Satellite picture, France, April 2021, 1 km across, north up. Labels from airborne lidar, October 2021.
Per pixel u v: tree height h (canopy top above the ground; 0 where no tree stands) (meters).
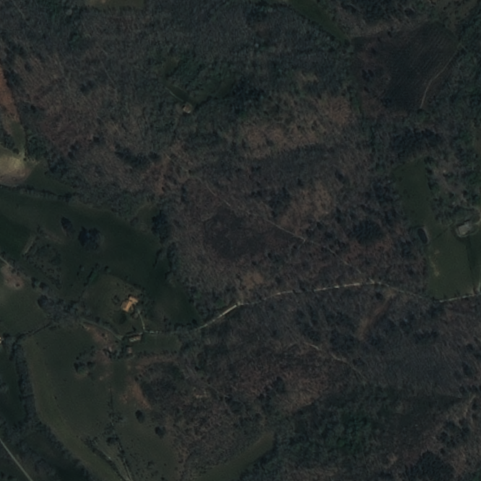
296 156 16
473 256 0
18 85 26
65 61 19
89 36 17
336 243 13
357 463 13
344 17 18
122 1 0
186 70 6
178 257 22
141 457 0
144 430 0
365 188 8
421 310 19
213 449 14
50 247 11
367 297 14
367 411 9
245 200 16
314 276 12
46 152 10
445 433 16
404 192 0
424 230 0
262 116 21
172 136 15
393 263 9
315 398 7
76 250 0
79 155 24
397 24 17
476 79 7
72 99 15
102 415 0
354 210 14
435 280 0
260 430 16
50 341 0
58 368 0
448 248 0
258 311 14
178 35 20
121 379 0
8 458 13
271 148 19
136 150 19
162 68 18
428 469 17
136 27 14
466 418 17
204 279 24
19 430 16
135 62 22
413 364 20
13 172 0
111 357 17
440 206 10
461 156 20
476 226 0
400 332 21
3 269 0
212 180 17
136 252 0
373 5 29
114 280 0
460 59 15
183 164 19
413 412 9
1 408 0
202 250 19
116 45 13
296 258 17
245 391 13
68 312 12
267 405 15
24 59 27
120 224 0
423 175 0
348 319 19
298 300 19
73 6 16
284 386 15
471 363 15
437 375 18
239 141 22
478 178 20
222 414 14
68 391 0
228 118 14
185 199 9
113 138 14
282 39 20
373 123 22
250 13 24
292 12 18
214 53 22
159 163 26
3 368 0
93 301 0
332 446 15
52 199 12
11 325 0
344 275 15
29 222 0
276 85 10
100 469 0
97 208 8
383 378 19
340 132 24
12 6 16
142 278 0
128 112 17
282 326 16
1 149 0
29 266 0
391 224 25
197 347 19
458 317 14
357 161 21
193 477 12
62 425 0
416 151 24
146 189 19
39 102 18
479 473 12
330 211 14
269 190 7
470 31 17
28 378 15
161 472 0
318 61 18
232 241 0
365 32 23
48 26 20
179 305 0
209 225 6
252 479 22
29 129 18
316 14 0
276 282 9
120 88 13
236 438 18
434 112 11
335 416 15
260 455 0
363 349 20
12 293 0
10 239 0
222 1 21
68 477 0
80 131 9
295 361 6
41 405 0
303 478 20
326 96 0
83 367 17
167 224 22
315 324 14
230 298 10
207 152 17
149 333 7
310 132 20
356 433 20
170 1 21
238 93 10
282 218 9
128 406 0
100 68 18
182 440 18
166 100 17
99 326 14
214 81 7
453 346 14
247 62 13
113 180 16
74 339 0
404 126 19
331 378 7
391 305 15
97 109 17
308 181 16
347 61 7
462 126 12
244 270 13
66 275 0
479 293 10
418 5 20
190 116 16
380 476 9
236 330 7
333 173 15
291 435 24
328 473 23
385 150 22
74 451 0
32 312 0
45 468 19
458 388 17
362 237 24
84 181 15
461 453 13
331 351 10
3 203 0
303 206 12
